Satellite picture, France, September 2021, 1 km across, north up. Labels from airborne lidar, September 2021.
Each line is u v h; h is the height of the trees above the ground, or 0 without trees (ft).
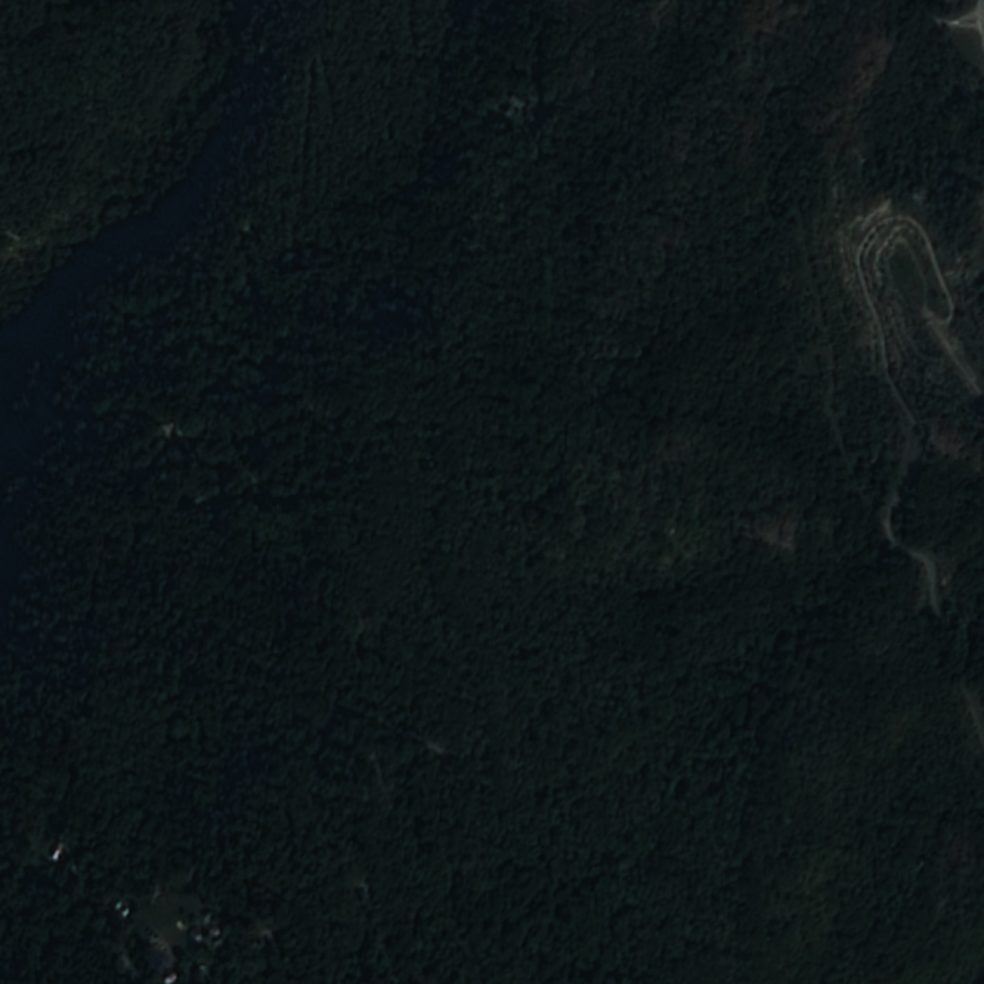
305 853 73
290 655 103
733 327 94
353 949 73
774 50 55
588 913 97
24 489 72
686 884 72
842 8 61
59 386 102
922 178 33
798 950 36
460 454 62
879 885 73
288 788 58
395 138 71
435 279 65
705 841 70
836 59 57
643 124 64
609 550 18
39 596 85
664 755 79
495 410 93
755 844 46
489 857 69
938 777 96
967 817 86
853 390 45
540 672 74
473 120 71
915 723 39
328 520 66
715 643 78
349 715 64
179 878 97
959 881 65
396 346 95
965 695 31
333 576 81
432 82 80
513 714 61
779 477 43
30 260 84
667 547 38
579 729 57
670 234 32
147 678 86
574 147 47
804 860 31
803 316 27
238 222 60
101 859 69
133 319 64
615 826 104
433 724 64
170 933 0
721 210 61
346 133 66
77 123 71
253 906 41
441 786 69
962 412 21
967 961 44
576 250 89
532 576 38
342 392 90
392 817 65
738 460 85
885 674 83
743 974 36
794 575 90
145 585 90
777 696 54
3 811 63
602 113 58
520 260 64
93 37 96
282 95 79
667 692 67
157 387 86
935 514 77
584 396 57
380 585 52
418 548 70
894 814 94
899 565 68
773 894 41
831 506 81
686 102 22
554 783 57
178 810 89
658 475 36
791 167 52
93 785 105
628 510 43
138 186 80
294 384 79
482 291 58
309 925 77
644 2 47
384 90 69
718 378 69
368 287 51
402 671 86
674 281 57
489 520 52
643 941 62
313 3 56
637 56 51
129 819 117
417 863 70
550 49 76
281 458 86
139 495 101
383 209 104
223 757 94
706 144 43
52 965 82
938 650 75
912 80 81
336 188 96
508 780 79
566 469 63
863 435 31
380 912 51
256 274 95
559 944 74
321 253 66
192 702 88
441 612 54
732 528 60
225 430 90
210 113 89
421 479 74
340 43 44
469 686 60
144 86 76
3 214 54
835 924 29
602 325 57
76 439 87
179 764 101
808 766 36
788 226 23
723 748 79
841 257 27
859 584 94
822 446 86
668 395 60
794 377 79
